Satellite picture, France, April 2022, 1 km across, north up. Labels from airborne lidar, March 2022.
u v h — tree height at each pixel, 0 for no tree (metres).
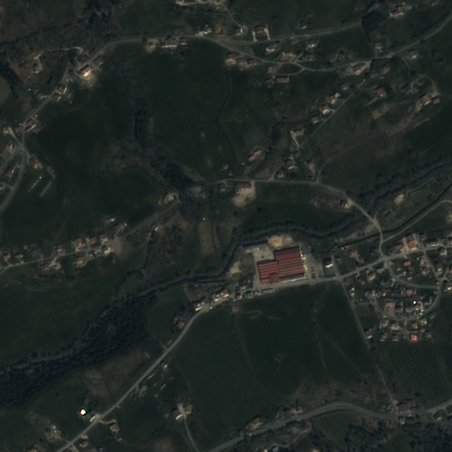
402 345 0
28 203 0
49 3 0
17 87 18
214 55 0
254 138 0
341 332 0
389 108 0
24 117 0
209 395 0
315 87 0
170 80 0
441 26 18
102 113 0
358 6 0
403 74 0
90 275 0
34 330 0
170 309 0
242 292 0
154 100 0
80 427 0
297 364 0
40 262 0
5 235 0
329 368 0
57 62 10
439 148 0
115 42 16
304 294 0
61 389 0
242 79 0
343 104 0
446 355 0
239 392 0
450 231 0
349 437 15
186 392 0
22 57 13
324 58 0
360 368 0
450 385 0
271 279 0
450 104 0
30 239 0
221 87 0
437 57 20
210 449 0
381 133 0
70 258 0
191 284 0
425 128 0
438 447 13
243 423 0
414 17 0
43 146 0
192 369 0
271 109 0
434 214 0
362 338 0
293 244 0
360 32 0
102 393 0
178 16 10
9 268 0
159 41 0
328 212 0
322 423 0
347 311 0
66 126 0
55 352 0
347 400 0
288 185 0
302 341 0
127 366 0
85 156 0
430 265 0
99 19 22
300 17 0
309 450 0
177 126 0
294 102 0
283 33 0
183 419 0
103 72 0
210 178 0
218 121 7
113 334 13
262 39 0
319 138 0
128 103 0
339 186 0
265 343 0
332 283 0
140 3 0
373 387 0
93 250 0
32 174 0
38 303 0
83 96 0
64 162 0
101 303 0
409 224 0
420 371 0
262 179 0
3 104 0
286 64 0
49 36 14
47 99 0
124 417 0
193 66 0
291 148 0
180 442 0
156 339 0
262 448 0
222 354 0
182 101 0
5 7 0
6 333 0
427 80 0
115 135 0
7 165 0
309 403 0
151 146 22
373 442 18
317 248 0
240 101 0
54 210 0
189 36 0
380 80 0
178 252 22
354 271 0
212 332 0
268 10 0
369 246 0
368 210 14
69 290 0
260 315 0
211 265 0
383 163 0
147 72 0
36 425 0
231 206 0
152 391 0
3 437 0
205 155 0
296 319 0
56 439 0
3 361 0
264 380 0
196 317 0
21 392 29
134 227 0
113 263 0
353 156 0
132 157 0
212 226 0
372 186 0
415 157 20
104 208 0
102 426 0
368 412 0
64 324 0
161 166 27
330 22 0
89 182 0
